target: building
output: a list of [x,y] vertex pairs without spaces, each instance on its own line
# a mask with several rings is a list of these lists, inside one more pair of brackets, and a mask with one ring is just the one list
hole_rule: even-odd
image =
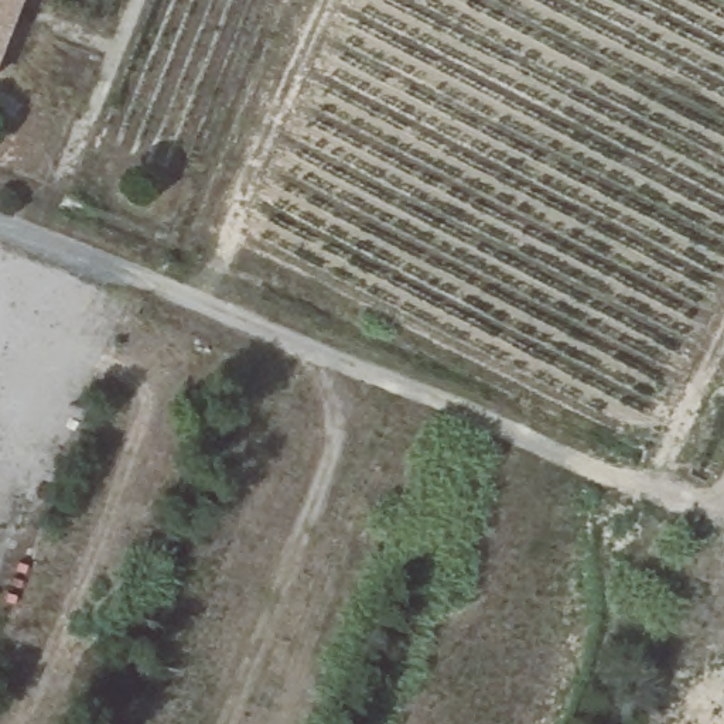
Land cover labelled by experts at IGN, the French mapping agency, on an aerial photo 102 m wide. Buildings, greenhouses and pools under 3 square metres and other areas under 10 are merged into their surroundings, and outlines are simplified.
[[25,0],[0,0],[0,59],[8,48]]

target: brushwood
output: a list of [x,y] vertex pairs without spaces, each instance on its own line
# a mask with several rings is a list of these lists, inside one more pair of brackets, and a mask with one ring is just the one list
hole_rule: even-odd
[[501,506],[503,498],[503,492],[498,492],[492,484],[498,455],[495,444],[484,430],[467,427],[455,416],[450,416],[447,407],[438,407],[433,419],[424,419],[419,424],[410,447],[404,450],[402,486],[390,486],[385,492],[379,512],[373,512],[365,520],[362,537],[348,543],[348,563],[337,568],[334,600],[328,602],[325,619],[320,622],[317,645],[311,653],[311,676],[317,682],[320,701],[334,699],[342,690],[342,679],[354,676],[356,665],[362,662],[362,656],[356,656],[356,645],[362,642],[362,619],[370,617],[370,585],[385,583],[385,577],[404,563],[407,600],[399,602],[399,611],[404,617],[419,617],[419,634],[410,639],[407,670],[399,676],[396,704],[385,724],[404,724],[407,701],[424,693],[419,682],[427,679],[427,656],[436,656],[441,650],[441,636],[433,636],[433,628],[450,622],[453,608],[475,600],[475,543],[486,540],[486,503],[495,501]]
[[670,512],[648,498],[631,498],[622,492],[619,503],[605,506],[602,512],[588,512],[585,529],[577,532],[571,543],[571,577],[568,594],[563,597],[563,625],[568,634],[580,628],[588,628],[591,634],[585,642],[585,665],[583,670],[574,670],[571,679],[574,710],[563,724],[648,724],[653,713],[665,713],[673,701],[682,701],[673,676],[682,665],[684,650],[679,636],[682,622],[699,602],[713,597],[710,583],[684,574],[690,557],[710,549],[713,537],[693,537],[684,512]]

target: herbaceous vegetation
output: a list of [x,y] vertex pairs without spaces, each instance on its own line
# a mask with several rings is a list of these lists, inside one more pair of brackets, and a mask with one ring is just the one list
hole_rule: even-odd
[[495,501],[486,503],[486,540],[475,543],[475,600],[453,608],[450,622],[433,628],[433,636],[441,636],[441,650],[436,656],[427,656],[427,679],[419,682],[424,693],[407,701],[404,724],[563,724],[574,710],[571,679],[574,670],[583,670],[585,665],[585,642],[591,634],[588,628],[580,628],[568,634],[563,625],[563,597],[568,594],[571,577],[571,543],[577,532],[585,529],[588,512],[602,512],[605,506],[619,503],[622,492],[614,486],[602,486],[591,478],[583,478],[560,464],[551,464],[523,447],[515,447],[512,438],[501,433],[495,421],[461,404],[447,407],[450,416],[455,416],[467,427],[484,430],[495,444],[498,455],[492,484],[498,492],[503,492],[503,498],[501,506]]
[[549,416],[543,410],[540,396],[404,331],[393,314],[359,308],[345,297],[331,294],[325,286],[297,277],[274,266],[272,260],[249,255],[243,249],[238,249],[226,274],[215,272],[206,263],[187,283],[218,300],[243,305],[283,328],[311,337],[328,348],[359,356],[370,365],[396,370],[402,376],[458,396],[486,402],[509,419],[529,424],[535,433],[543,433],[551,441],[574,447],[580,453],[591,453],[605,464],[648,469],[653,478],[684,481],[696,486],[693,509],[684,512],[693,537],[713,537],[710,549],[690,557],[684,574],[710,583],[713,597],[699,602],[682,622],[679,636],[684,650],[682,665],[673,676],[682,701],[673,701],[665,713],[653,713],[648,724],[724,724],[724,356],[716,368],[716,376],[704,387],[696,421],[687,433],[679,458],[656,464],[656,450],[667,433],[665,424],[631,427],[622,421],[611,421],[611,427],[600,427],[568,410],[563,410],[560,416]]
[[158,495],[178,481],[175,453],[181,441],[175,433],[173,402],[184,390],[187,379],[206,379],[218,370],[221,376],[249,382],[249,421],[232,427],[229,433],[218,433],[209,427],[201,430],[195,438],[195,447],[204,455],[218,455],[226,472],[226,484],[232,489],[226,501],[226,509],[232,515],[223,515],[218,537],[209,546],[198,546],[192,551],[195,557],[218,560],[218,574],[204,577],[201,597],[175,594],[170,608],[156,608],[144,614],[141,622],[127,625],[127,634],[133,639],[150,642],[158,667],[150,679],[141,676],[133,665],[119,670],[93,670],[91,684],[82,696],[82,704],[91,713],[91,724],[305,724],[308,713],[320,701],[317,682],[311,676],[311,653],[317,645],[320,622],[325,619],[328,602],[334,600],[337,568],[348,563],[348,543],[362,537],[365,520],[373,512],[379,512],[385,492],[390,486],[402,486],[404,450],[410,447],[419,424],[424,419],[433,419],[438,407],[427,407],[421,402],[396,396],[390,390],[359,382],[325,365],[300,362],[297,356],[288,356],[272,342],[255,339],[198,311],[175,305],[150,288],[119,283],[107,283],[91,272],[79,280],[96,288],[88,300],[88,308],[82,311],[82,337],[102,339],[105,351],[113,354],[113,368],[141,368],[144,382],[139,385],[130,407],[116,416],[116,430],[124,433],[124,444],[105,484],[105,492],[91,503],[91,509],[82,518],[71,520],[65,540],[51,540],[45,529],[34,526],[34,520],[23,520],[17,526],[25,529],[25,535],[17,540],[17,546],[6,554],[0,566],[0,648],[8,659],[8,673],[3,682],[8,693],[17,699],[11,710],[0,716],[0,724],[59,724],[59,718],[68,713],[74,673],[85,650],[96,645],[96,636],[71,634],[71,617],[85,605],[85,597],[91,594],[96,574],[107,577],[110,571],[122,571],[130,540],[139,535],[150,535],[147,520],[153,515]]
[[71,139],[71,130],[85,116],[91,93],[102,79],[105,51],[82,45],[54,31],[48,23],[37,17],[34,31],[28,37],[28,51],[20,57],[20,62],[0,62],[0,212],[17,215],[25,204],[31,204],[31,184],[57,187],[59,178],[54,175]]

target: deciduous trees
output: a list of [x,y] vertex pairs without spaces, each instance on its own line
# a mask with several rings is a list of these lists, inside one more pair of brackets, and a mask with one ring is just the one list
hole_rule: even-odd
[[3,682],[8,673],[8,659],[0,648],[0,716],[11,710],[17,699],[8,693]]
[[54,458],[54,481],[42,481],[37,486],[37,495],[42,498],[45,509],[34,520],[34,526],[45,529],[51,540],[65,540],[71,520],[82,518],[91,509],[91,503],[105,492],[105,484],[124,444],[124,433],[116,430],[116,416],[130,407],[139,385],[144,382],[141,368],[113,368],[105,376],[93,379],[74,399],[74,407],[82,410],[82,421],[76,438],[68,441]]
[[82,704],[82,696],[91,684],[93,670],[119,670],[133,665],[141,676],[150,679],[158,667],[150,642],[133,639],[127,634],[127,625],[141,622],[144,614],[156,608],[170,608],[175,594],[201,597],[204,577],[218,574],[218,560],[195,557],[192,551],[198,546],[209,546],[218,537],[223,515],[232,515],[226,509],[226,501],[232,489],[226,484],[226,472],[218,455],[204,455],[195,447],[195,438],[201,430],[209,427],[218,433],[229,433],[232,427],[249,421],[249,382],[221,376],[218,370],[206,379],[187,379],[184,390],[173,402],[175,433],[181,441],[175,453],[178,481],[158,495],[153,515],[147,520],[150,535],[139,535],[130,540],[122,571],[110,571],[107,577],[96,574],[91,594],[85,597],[85,605],[71,617],[71,634],[96,636],[96,645],[85,650],[74,673],[68,713],[59,718],[59,724],[91,724],[91,713]]
[[150,204],[161,192],[136,164],[122,175],[122,192],[136,204]]
[[399,676],[407,670],[410,639],[419,634],[419,617],[404,617],[399,611],[399,602],[407,600],[404,563],[385,577],[385,583],[370,585],[370,617],[362,619],[362,642],[356,645],[356,656],[362,656],[362,662],[356,665],[354,676],[342,679],[342,690],[334,699],[320,701],[308,713],[305,724],[385,724],[396,704]]

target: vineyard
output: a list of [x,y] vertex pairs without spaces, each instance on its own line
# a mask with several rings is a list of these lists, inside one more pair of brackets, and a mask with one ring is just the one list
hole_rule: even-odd
[[[150,204],[136,204],[122,192],[122,175],[136,164],[161,192]],[[76,164],[76,173],[59,178],[57,187],[31,184],[31,204],[25,204],[17,215],[37,226],[62,232],[93,249],[110,252],[133,263],[153,269],[156,274],[173,277],[178,283],[187,283],[206,263],[215,272],[226,274],[238,249],[243,249],[249,255],[272,260],[274,266],[297,277],[325,286],[331,294],[345,297],[359,308],[393,314],[404,331],[540,396],[543,410],[549,416],[560,416],[563,410],[568,410],[600,427],[611,427],[611,421],[622,421],[631,427],[665,424],[667,433],[656,450],[656,464],[679,458],[687,433],[696,421],[704,387],[716,376],[716,368],[724,356],[724,0],[147,0],[139,25],[130,37],[130,45],[122,57],[113,91],[105,99],[96,124],[88,130],[85,153]]]
[[54,11],[71,23],[82,23],[88,31],[102,37],[116,37],[122,11],[130,0],[42,0],[45,11]]

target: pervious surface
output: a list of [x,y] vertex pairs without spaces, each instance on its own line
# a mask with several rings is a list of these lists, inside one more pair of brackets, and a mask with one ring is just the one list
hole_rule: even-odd
[[96,124],[105,99],[113,91],[122,57],[130,45],[130,37],[139,25],[147,0],[130,0],[122,11],[116,37],[102,37],[88,31],[82,23],[71,23],[54,11],[45,11],[42,0],[25,0],[8,48],[0,59],[0,62],[20,62],[20,57],[28,51],[28,37],[34,31],[37,17],[48,23],[54,31],[82,45],[105,51],[102,79],[91,93],[85,116],[71,130],[71,139],[54,175],[59,178],[76,173],[76,164],[85,153],[88,130]]
[[605,464],[591,453],[580,453],[574,447],[551,441],[543,433],[535,433],[529,424],[509,419],[486,402],[458,396],[402,376],[396,370],[370,365],[359,356],[328,348],[311,337],[283,328],[243,305],[218,300],[187,283],[178,283],[173,277],[156,274],[153,269],[133,263],[119,283],[150,288],[175,305],[198,311],[255,339],[272,342],[288,356],[297,356],[300,362],[325,365],[359,382],[390,390],[396,396],[421,402],[427,407],[438,407],[447,407],[461,404],[495,421],[501,433],[512,438],[515,447],[523,447],[551,464],[560,464],[583,478],[591,478],[602,486],[614,486],[622,492],[631,498],[648,498],[670,512],[684,512],[693,509],[696,486],[684,481],[653,478],[648,469]]
[[82,311],[88,308],[88,300],[96,288],[79,280],[0,249],[0,566],[6,554],[17,546],[17,540],[25,535],[25,529],[17,526],[23,520],[34,520],[45,509],[42,498],[37,495],[37,486],[42,481],[54,481],[54,458],[68,441],[76,438],[82,421],[82,410],[74,407],[74,399],[93,379],[105,376],[113,368],[113,354],[105,351],[102,339],[82,337]]

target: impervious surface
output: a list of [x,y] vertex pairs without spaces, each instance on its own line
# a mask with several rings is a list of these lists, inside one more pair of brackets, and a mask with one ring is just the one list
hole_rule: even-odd
[[0,249],[79,280],[91,272],[107,283],[119,283],[133,263],[110,252],[93,249],[62,232],[37,226],[17,215],[0,212]]

